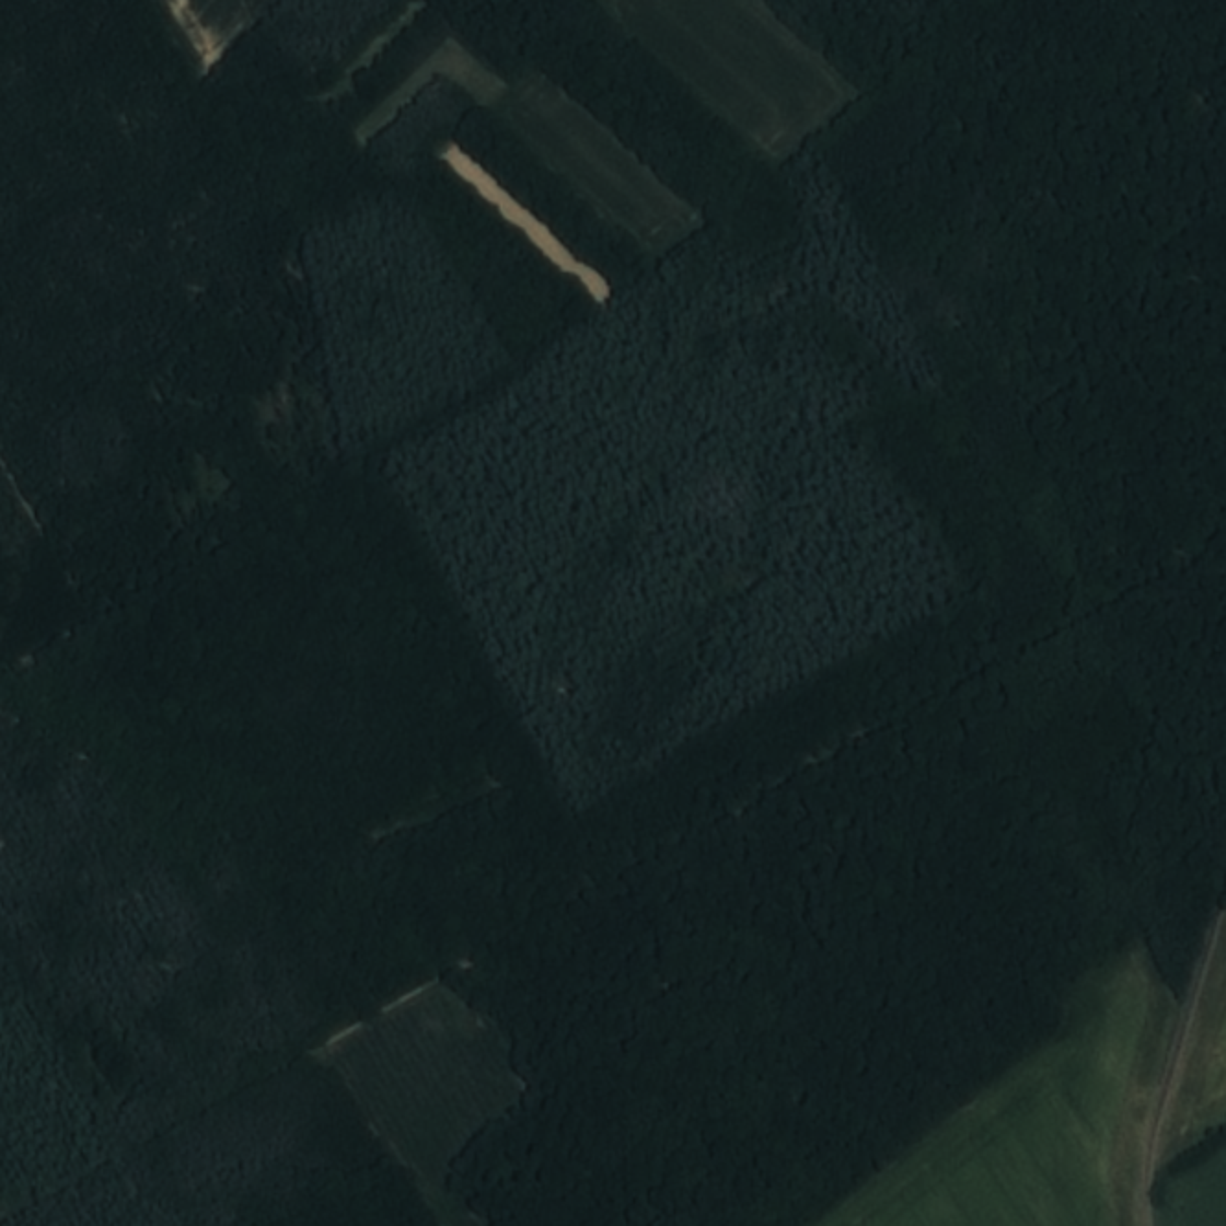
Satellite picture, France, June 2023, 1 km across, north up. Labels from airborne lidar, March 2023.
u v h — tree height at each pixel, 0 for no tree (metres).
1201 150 21
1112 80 29
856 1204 0
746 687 27
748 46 0
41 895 19
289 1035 22
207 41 0
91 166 12
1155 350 24
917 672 24
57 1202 14
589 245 23
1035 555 8
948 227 19
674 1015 26
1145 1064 0
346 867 19
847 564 26
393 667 18
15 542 8
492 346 30
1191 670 25
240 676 20
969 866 22
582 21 21
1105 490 20
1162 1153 0
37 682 20
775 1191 21
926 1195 0
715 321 18
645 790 21
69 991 19
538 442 31
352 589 17
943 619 21
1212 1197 0
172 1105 19
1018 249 23
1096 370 28
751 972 22
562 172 0
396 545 22
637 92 22
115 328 11
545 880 24
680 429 23
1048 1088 0
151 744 21
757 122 0
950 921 22
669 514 23
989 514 12
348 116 20
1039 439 24
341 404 29
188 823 19
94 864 14
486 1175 25
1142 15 24
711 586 14
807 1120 25
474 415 21
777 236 15
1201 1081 0
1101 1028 0
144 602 22
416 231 26
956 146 24
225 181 14
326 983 25
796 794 20
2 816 17
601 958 20
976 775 23
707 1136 25
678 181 22
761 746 21
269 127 26
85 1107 25
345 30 22
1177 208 23
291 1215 20
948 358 20
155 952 19
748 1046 23
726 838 20
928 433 7
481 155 23
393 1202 23
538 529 31
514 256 18
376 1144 13
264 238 15
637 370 30
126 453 19
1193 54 23
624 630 23
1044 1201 0
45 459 11
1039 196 23
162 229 13
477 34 19
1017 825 24
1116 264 22
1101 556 22
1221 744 25
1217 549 20
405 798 20
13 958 18
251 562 22
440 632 22
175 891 19
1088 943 26
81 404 12
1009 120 25
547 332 17
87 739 17
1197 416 23
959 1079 20
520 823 21
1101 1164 0
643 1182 27
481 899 23
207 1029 22
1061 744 11
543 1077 23
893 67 22
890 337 29
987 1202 0
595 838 19
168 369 23
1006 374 20
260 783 22
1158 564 19
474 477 30
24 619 7
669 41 0
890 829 22
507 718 19
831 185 15
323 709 19
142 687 21
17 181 11
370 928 22
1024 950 22
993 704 24
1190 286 23
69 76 13
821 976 22
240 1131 12
